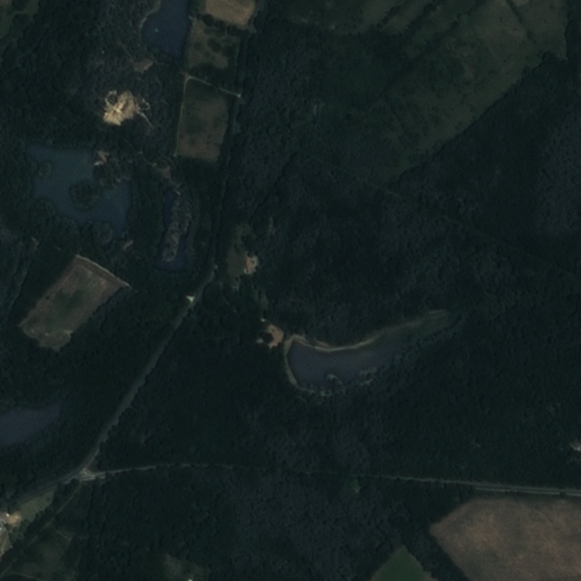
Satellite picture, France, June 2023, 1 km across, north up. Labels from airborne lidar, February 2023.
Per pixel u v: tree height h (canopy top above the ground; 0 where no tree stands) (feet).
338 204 55
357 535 87
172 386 65
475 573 0
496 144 65
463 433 55
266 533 93
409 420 73
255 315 62
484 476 50
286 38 77
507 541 0
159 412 68
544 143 68
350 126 31
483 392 74
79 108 54
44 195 0
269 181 58
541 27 0
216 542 70
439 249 76
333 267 41
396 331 0
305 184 55
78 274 0
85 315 0
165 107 47
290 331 47
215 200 42
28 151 0
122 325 61
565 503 0
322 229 56
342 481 83
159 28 0
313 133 24
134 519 74
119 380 19
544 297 63
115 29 54
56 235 44
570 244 77
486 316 76
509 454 53
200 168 54
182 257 0
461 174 61
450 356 74
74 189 49
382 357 0
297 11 0
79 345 69
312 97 25
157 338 70
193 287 54
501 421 57
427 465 61
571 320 58
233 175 43
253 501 98
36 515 0
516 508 0
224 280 60
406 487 57
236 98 30
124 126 40
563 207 82
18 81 73
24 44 51
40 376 55
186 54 51
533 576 0
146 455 65
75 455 59
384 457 82
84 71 43
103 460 52
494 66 0
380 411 67
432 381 82
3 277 73
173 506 69
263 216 58
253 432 47
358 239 57
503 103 54
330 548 74
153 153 39
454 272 81
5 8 0
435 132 0
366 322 58
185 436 49
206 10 0
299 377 0
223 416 61
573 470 66
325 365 0
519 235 82
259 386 79
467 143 60
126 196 0
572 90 39
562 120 69
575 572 0
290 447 33
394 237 81
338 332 52
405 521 82
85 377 42
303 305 40
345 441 58
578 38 47
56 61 22
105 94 37
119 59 29
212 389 80
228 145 46
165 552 53
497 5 0
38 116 36
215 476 81
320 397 56
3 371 73
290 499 84
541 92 76
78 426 59
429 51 21
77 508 26
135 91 49
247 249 22
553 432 56
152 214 68
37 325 0
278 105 79
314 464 63
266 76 69
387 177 0
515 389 79
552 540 0
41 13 25
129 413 51
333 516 83
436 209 27
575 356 66
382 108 25
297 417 39
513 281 73
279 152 74
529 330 68
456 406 82
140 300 46
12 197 49
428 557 59
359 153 33
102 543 45
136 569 67
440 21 0
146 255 66
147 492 65
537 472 64
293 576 55
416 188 83
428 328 0
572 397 59
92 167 0
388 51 19
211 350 35
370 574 61
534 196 78
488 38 0
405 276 59
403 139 27
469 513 0
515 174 77
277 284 57
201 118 0
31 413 0
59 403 0
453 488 70
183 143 0
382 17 0
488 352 85
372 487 77
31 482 26
